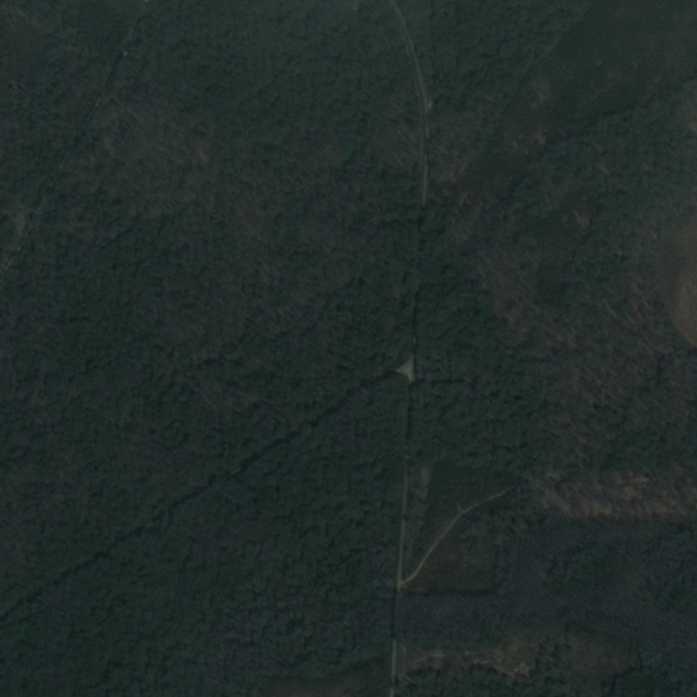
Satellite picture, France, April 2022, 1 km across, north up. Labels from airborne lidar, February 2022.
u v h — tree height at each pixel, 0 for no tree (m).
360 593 27
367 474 29
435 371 25
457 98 26
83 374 26
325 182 26
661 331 25
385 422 26
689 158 29
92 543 24
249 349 26
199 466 25
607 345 24
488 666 0
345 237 31
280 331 27
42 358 28
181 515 28
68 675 30
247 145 23
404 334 25
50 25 26
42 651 26
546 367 27
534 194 27
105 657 25
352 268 30
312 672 19
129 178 28
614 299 26
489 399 26
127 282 25
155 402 26
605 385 28
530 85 9
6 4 23
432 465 26
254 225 27
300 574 26
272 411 26
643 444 26
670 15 9
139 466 26
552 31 25
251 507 29
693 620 19
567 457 23
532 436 27
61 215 24
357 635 20
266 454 21
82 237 19
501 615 21
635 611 23
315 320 25
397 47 27
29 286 21
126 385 28
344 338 27
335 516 27
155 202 25
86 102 14
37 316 25
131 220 21
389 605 15
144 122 28
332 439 26
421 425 26
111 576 24
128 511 25
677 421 28
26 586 24
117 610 23
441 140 23
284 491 20
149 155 27
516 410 27
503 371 21
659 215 29
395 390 23
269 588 26
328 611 24
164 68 26
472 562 0
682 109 23
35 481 24
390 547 18
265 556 25
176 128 21
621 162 29
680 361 23
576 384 29
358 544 16
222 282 29
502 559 15
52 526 24
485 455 21
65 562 23
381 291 24
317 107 23
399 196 24
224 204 27
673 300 0
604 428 28
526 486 23
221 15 27
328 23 29
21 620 23
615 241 30
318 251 23
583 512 25
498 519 23
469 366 27
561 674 22
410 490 0
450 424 25
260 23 25
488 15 24
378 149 29
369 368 22
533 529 23
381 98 28
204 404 28
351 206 29
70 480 25
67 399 26
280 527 24
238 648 24
